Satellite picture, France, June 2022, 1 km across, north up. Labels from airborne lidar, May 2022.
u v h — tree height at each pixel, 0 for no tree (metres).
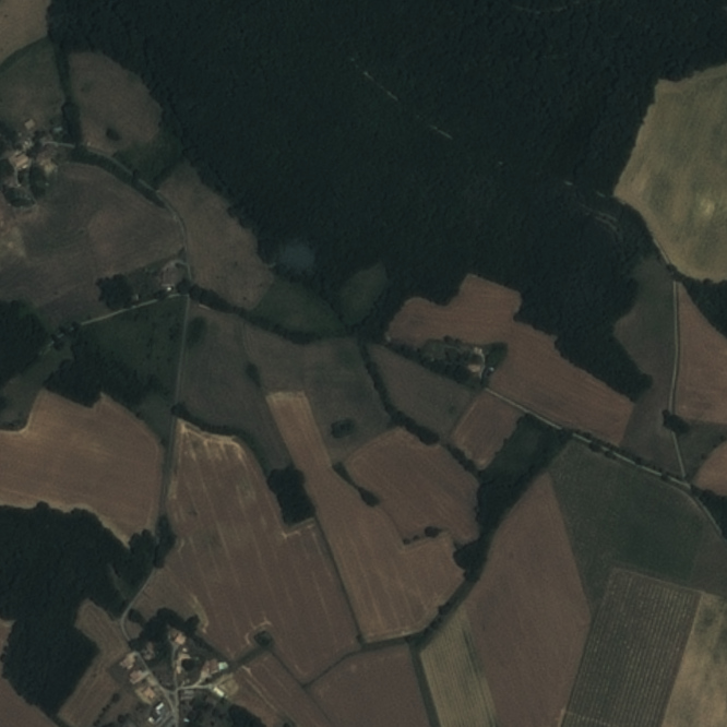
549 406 0
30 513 12
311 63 13
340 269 11
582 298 14
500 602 0
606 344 16
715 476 0
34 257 0
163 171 9
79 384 19
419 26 11
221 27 17
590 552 0
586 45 28
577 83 21
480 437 0
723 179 0
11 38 0
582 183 13
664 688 0
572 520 0
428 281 13
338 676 0
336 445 0
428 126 12
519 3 17
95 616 0
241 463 0
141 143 0
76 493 0
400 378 0
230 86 18
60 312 0
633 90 23
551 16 16
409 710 0
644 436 0
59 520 15
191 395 0
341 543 0
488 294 0
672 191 0
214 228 0
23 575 13
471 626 0
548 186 12
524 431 0
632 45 22
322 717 0
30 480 0
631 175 0
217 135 20
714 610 0
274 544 0
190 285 13
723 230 0
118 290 21
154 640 11
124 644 0
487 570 0
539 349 0
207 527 0
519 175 12
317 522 0
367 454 0
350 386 0
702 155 0
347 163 13
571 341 13
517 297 0
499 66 22
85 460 0
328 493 0
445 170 6
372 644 0
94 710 0
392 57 16
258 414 0
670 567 0
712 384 0
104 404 0
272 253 15
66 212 0
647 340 0
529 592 0
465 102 15
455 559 10
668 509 0
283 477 17
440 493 0
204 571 0
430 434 16
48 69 0
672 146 0
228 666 0
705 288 8
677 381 0
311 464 0
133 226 0
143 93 0
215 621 0
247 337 0
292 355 0
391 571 0
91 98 0
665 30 15
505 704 0
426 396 0
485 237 8
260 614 0
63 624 16
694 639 0
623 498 0
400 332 0
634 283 13
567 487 0
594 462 0
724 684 0
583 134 8
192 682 0
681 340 0
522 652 0
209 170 9
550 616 0
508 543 0
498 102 23
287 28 12
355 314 0
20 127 0
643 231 8
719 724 0
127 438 0
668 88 0
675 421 16
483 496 19
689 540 0
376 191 16
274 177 12
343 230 15
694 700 0
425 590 0
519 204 12
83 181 0
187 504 0
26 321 7
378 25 15
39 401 0
